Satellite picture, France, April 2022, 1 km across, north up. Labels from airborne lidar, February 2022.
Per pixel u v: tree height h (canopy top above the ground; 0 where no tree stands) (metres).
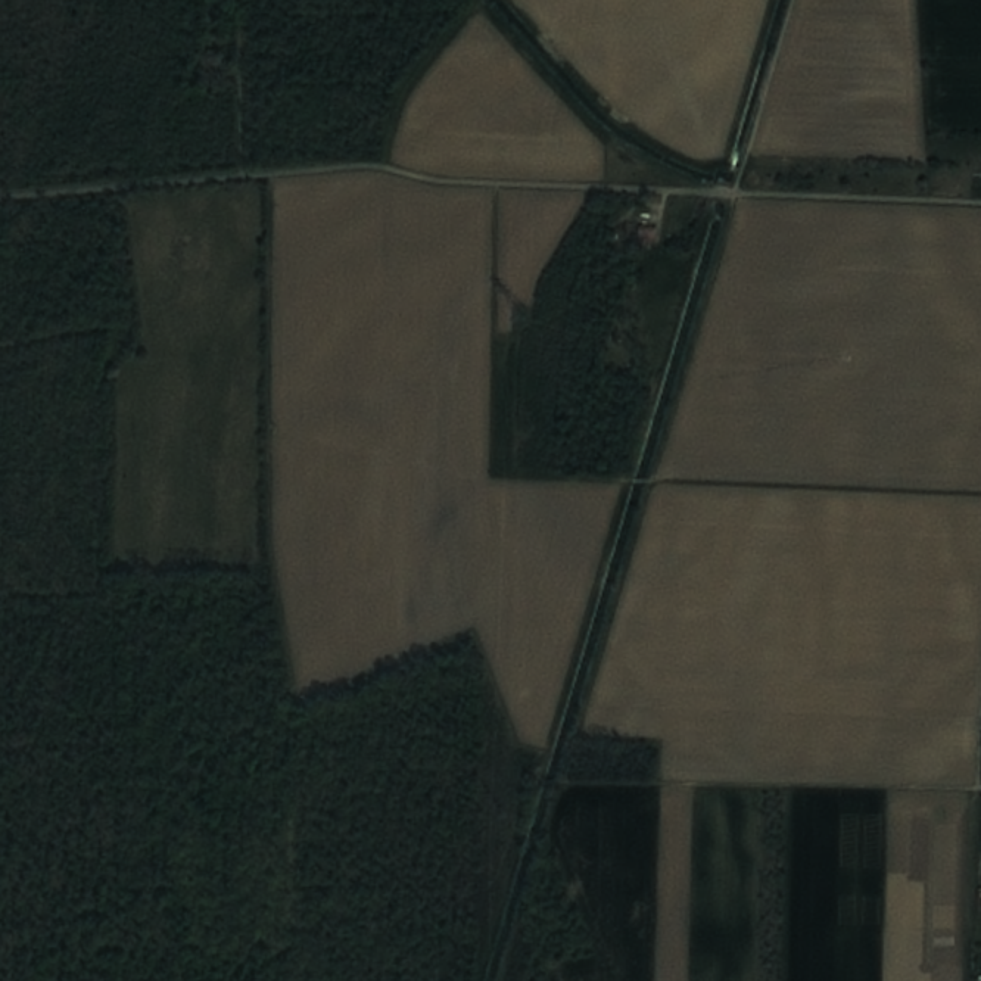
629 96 0
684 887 0
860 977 0
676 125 0
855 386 0
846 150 0
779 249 0
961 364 0
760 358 0
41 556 12
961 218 0
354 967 20
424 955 19
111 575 18
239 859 19
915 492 0
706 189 0
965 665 0
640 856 0
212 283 0
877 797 0
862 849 0
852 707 0
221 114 7
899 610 0
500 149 0
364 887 14
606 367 11
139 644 22
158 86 10
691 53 0
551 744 0
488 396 0
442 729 16
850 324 0
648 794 0
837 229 0
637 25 0
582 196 0
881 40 0
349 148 7
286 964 18
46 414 11
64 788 5
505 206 0
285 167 9
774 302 0
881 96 0
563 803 0
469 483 0
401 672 23
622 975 0
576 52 0
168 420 0
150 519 0
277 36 13
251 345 0
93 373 12
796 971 0
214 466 0
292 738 13
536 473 0
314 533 0
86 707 10
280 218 0
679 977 0
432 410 0
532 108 0
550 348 7
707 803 0
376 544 0
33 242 14
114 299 19
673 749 0
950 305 0
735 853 0
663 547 0
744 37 0
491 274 0
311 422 0
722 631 0
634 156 0
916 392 0
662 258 0
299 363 0
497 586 0
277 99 16
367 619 0
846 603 0
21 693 17
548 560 0
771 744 0
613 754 19
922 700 0
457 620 0
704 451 0
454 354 0
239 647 6
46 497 13
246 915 20
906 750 0
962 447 0
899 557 0
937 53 0
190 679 20
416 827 11
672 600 0
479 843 12
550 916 14
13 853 17
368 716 11
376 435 0
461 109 0
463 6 16
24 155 10
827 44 0
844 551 0
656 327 0
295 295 0
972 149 0
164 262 0
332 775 17
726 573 0
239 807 10
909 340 0
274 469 0
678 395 0
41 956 17
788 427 0
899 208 0
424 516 0
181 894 21
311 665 0
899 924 0
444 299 0
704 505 0
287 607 0
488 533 0
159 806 20
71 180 10
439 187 0
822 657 0
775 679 0
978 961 6
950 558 0
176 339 0
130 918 16
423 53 13
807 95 0
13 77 7
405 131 0
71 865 16
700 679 0
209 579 16
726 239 0
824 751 0
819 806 0
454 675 14
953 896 0
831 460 0
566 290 6
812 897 0
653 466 0
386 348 0
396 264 0
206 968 17
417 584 0
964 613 0
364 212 0
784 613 0
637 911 0
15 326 10
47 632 9
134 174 8
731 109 0
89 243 15
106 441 11
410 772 15
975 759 0
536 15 0
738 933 0
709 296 0
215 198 0
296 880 12
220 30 16
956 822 0
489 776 0
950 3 0
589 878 0
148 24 7
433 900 14
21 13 7
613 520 0
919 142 0
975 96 0
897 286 0
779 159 0
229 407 0
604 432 8
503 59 0
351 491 0
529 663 0
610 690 0
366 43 10
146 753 18
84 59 7
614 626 0
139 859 7
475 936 13
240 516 0
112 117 9
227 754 19
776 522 0
